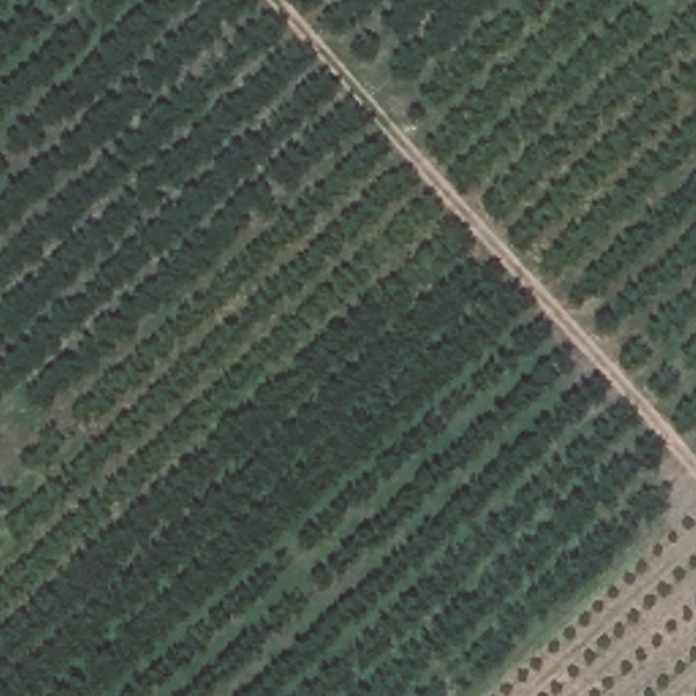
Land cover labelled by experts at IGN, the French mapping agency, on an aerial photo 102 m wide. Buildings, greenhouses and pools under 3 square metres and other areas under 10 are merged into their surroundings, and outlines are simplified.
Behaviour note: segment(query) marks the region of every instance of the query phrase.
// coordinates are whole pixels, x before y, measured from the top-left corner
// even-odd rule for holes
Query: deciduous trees
[[[604,609],[604,604],[617,598],[617,593],[623,593],[631,582],[636,582],[661,557],[663,546],[677,541],[688,527],[696,525],[696,0],[0,0],[0,696],[508,696],[519,682],[527,680],[527,674],[541,669],[541,661],[549,653],[557,653],[563,644],[568,644],[568,639],[576,636],[576,631],[582,631],[590,623],[590,617],[595,617]]]
[[[623,639],[625,631],[631,631],[639,623],[639,612],[631,609],[623,623],[614,625],[612,633],[598,636],[593,650],[585,650],[587,663],[601,658],[604,650],[609,650],[609,644]]]
[[[688,658],[674,663],[669,674],[658,674],[658,680],[644,688],[644,696],[658,696],[669,688],[669,682],[680,680],[680,674],[685,674],[696,663],[696,644],[691,647]]]

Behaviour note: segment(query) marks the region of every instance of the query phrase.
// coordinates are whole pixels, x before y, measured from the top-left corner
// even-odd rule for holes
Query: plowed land
[[[680,674],[680,680],[669,682],[669,688],[658,696],[696,696],[696,663],[685,674]]]
[[[612,633],[614,625],[623,623],[631,609],[639,612],[639,623],[631,631],[625,631],[623,639],[609,644],[609,650],[604,650],[601,658],[587,663],[585,650],[593,650],[598,636]],[[696,525],[688,527],[677,541],[663,546],[661,557],[636,582],[631,582],[623,593],[617,593],[617,598],[604,604],[604,609],[595,617],[590,617],[590,623],[582,631],[576,631],[576,636],[568,639],[568,644],[563,644],[557,653],[549,653],[541,661],[541,669],[527,674],[527,680],[519,682],[508,696],[644,696],[644,688],[658,680],[658,674],[669,674],[674,663],[688,658],[691,647],[696,644]]]

